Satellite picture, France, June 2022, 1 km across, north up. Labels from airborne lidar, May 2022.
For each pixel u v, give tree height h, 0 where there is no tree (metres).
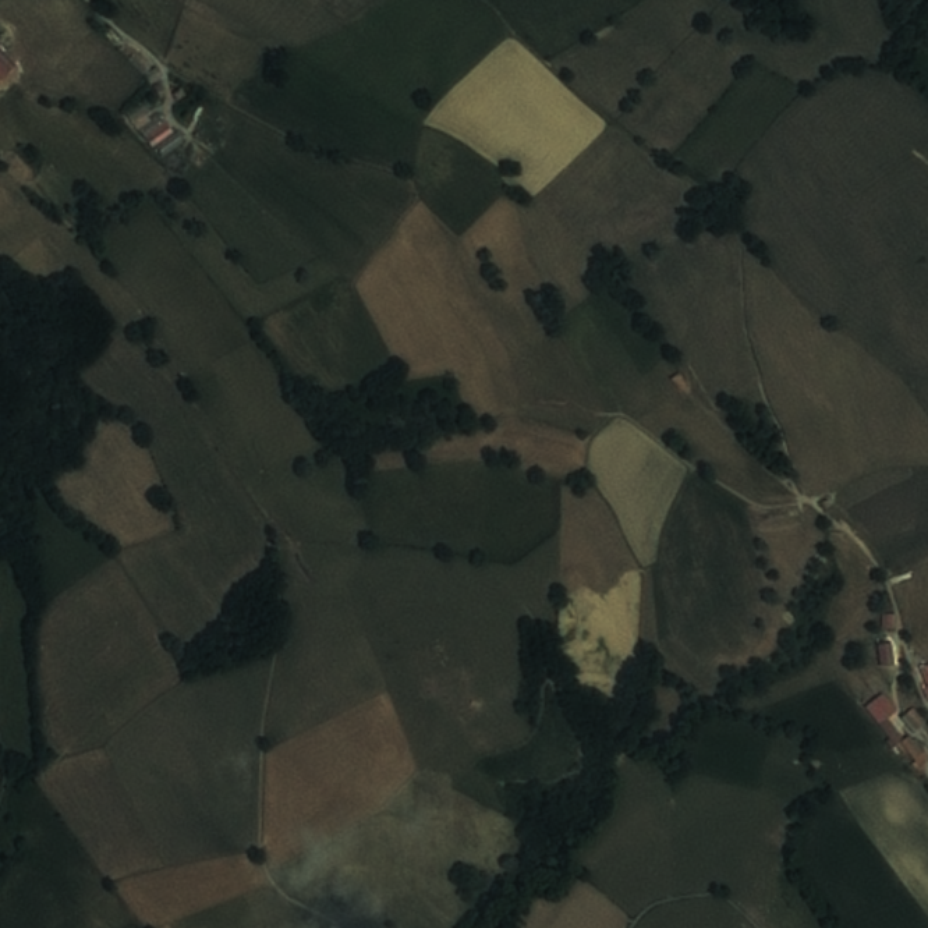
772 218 0
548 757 0
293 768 0
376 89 0
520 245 0
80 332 28
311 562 0
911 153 0
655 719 23
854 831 0
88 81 0
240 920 0
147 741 0
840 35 0
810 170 0
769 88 0
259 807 0
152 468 0
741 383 0
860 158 0
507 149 0
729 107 0
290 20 0
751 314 0
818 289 0
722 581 0
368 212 0
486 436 0
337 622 0
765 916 0
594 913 0
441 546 10
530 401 0
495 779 0
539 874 32
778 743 0
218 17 0
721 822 0
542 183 0
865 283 0
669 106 0
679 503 0
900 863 0
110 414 21
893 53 15
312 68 0
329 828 0
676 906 0
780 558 0
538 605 0
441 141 0
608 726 23
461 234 0
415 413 16
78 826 0
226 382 0
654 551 0
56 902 0
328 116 0
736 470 0
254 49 0
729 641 0
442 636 0
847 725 0
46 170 0
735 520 0
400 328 0
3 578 0
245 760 0
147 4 0
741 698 19
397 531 0
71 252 0
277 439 0
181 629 0
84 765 0
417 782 0
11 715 0
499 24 0
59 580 0
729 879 0
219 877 0
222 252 0
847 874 0
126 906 0
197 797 0
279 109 0
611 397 0
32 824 0
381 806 0
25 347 27
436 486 0
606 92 0
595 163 0
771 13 23
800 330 0
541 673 11
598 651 0
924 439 0
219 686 0
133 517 0
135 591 0
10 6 0
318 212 0
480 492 0
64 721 0
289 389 19
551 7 0
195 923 0
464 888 10
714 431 0
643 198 0
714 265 0
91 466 0
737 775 0
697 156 0
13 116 0
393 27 0
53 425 28
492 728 0
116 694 0
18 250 0
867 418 0
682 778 17
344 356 0
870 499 0
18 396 21
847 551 0
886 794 0
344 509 0
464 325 0
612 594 0
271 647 21
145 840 0
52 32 0
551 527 0
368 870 0
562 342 0
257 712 0
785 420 0
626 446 0
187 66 0
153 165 0
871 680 0
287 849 0
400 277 0
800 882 13
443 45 0
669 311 0
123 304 0
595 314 0
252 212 0
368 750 0
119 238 0
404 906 0
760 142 0
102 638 0
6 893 0
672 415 0
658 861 0
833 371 0
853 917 0
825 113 0
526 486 0
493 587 0
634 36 0
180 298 0
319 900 0
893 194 0
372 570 0
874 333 0
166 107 0
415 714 0
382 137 0
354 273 0
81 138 0
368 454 21
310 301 0
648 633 0
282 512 0
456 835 0
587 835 28
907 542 0
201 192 0
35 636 13
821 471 0
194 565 0
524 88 0
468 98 0
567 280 0
